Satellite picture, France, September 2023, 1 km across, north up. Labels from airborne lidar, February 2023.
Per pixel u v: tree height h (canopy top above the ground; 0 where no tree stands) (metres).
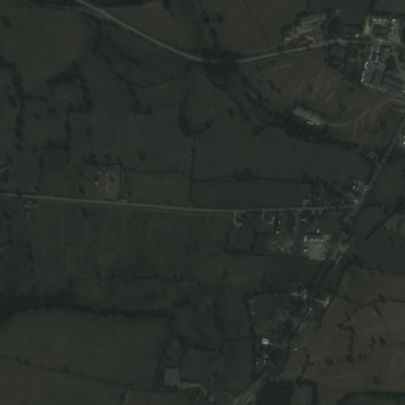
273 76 0
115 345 0
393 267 0
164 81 15
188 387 0
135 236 0
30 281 0
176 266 0
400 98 0
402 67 0
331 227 0
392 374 0
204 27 0
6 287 0
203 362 0
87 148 0
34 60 0
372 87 0
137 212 0
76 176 0
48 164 0
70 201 0
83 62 0
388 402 0
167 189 0
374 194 0
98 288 0
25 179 0
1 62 13
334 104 0
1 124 0
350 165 0
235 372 0
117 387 0
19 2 0
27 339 0
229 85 0
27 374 0
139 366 0
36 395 0
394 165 0
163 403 0
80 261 0
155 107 0
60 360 0
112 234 0
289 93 0
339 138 0
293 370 0
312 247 0
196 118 0
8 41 0
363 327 0
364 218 0
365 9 0
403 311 0
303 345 0
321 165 0
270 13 0
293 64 0
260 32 0
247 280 0
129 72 0
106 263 0
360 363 0
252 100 14
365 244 0
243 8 0
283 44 0
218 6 0
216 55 11
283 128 12
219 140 0
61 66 0
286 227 0
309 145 0
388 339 0
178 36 0
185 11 0
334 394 0
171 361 0
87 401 0
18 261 0
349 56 0
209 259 0
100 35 16
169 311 0
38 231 0
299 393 0
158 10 0
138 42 0
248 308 12
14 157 0
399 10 0
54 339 0
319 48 0
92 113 0
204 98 0
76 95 0
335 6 0
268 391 9
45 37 0
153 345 0
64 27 0
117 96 0
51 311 0
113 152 0
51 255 0
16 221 0
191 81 0
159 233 0
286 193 0
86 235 0
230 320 0
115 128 0
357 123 0
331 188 5
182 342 20
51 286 0
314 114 0
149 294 0
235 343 0
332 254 0
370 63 0
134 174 0
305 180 13
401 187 0
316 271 0
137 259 0
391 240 19
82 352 0
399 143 0
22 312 9
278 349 14
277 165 0
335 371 0
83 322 0
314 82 0
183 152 0
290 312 8
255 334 9
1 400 0
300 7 0
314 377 0
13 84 17
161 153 0
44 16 0
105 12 0
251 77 0
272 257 0
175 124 0
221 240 0
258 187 0
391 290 0
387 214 8
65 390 0
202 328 0
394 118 0
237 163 0
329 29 10
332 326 0
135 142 0
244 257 0
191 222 0
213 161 0
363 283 0
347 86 0
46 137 0
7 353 0
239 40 0
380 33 0
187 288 0
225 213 0
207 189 0
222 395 0
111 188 0
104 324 0
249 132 0
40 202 0
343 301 0
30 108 0
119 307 0
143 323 0
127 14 0
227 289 0
